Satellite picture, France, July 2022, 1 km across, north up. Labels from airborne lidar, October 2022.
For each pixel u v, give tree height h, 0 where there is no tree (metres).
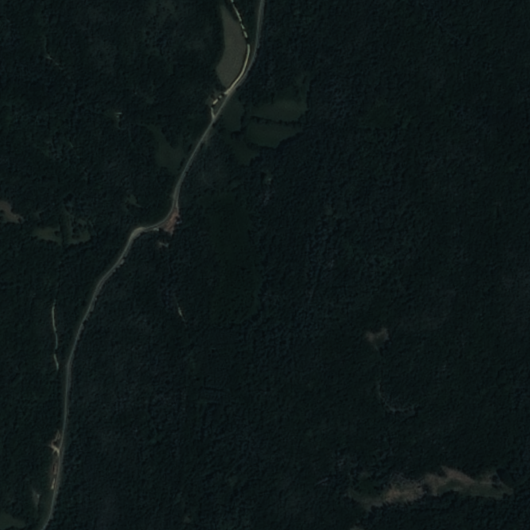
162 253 9
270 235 11
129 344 8
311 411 7
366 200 19
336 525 10
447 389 14
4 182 11
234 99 0
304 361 23
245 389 16
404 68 16
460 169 15
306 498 8
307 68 12
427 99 9
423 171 12
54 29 14
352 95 12
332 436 12
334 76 18
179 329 13
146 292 12
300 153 21
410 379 13
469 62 18
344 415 11
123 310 7
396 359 14
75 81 8
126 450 11
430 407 10
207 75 8
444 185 8
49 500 0
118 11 5
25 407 9
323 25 11
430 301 10
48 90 23
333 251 19
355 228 18
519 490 6
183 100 7
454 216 15
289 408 9
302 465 14
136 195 8
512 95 11
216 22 12
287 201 11
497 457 18
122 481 6
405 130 13
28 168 20
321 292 12
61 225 8
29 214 9
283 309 14
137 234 0
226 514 15
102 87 8
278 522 12
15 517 11
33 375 8
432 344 11
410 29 11
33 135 10
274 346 8
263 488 10
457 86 13
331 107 8
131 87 6
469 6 8
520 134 16
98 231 11
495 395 14
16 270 14
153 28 9
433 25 22
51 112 20
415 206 13
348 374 11
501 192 17
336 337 10
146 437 8
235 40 0
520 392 20
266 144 0
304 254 10
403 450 9
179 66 8
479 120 29
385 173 19
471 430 11
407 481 23
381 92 23
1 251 14
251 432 17
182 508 27
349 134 9
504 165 12
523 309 8
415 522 16
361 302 17
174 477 10
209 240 8
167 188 14
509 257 12
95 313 9
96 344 8
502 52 13
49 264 13
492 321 13
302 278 11
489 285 17
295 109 0
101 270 8
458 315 14
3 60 18
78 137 16
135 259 7
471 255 13
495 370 14
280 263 17
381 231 20
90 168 18
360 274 15
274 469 14
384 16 8
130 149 11
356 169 14
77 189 16
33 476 10
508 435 26
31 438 12
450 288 11
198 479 18
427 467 15
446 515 21
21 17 10
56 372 6
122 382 6
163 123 7
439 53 14
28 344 16
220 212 7
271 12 7
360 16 7
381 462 5
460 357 11
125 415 15
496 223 7
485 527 15
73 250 22
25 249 18
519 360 14
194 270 10
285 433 9
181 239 8
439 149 10
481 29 12
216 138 10
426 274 16
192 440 17
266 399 13
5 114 15
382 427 14
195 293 7
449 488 0
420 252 14
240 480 23
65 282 10
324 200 21
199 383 17
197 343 17
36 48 14
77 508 7
